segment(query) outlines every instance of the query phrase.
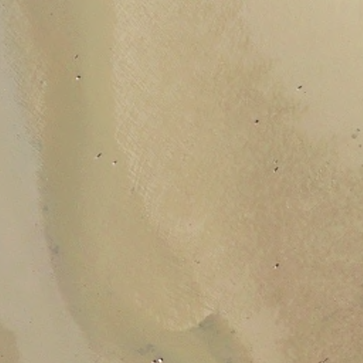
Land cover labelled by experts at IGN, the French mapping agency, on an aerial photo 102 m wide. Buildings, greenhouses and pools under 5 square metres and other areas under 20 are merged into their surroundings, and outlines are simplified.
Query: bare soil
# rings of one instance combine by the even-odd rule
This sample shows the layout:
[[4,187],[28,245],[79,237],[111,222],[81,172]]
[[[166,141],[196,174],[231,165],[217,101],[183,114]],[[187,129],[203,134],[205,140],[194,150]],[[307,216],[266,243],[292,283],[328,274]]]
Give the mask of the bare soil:
[[363,0],[0,0],[0,363],[363,363]]

